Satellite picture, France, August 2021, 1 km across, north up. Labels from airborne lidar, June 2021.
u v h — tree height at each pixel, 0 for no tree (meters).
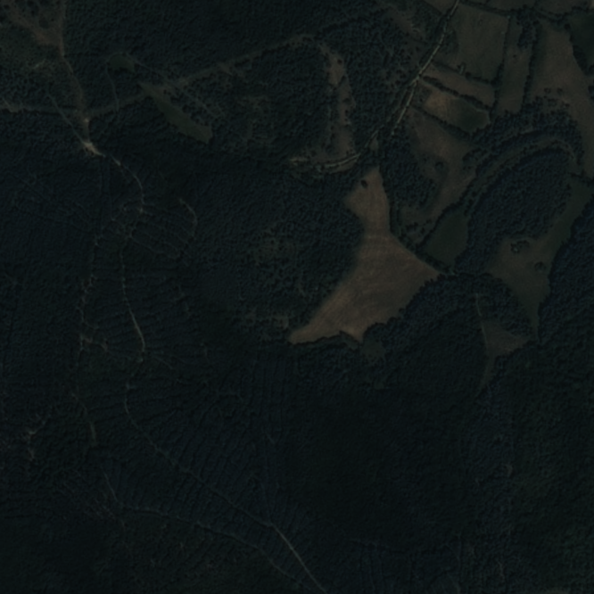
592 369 6
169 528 16
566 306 18
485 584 10
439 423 12
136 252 12
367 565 14
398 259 0
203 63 10
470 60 0
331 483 20
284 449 13
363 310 0
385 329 13
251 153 12
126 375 13
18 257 13
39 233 12
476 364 14
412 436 11
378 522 20
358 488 23
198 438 16
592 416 8
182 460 14
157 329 12
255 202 15
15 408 13
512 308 15
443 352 12
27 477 11
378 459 18
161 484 13
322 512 14
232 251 17
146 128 10
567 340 13
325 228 14
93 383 12
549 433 9
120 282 12
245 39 12
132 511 12
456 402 11
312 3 14
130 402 12
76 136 8
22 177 11
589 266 21
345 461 23
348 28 11
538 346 8
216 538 16
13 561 12
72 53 7
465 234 0
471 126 0
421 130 0
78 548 17
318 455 15
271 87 9
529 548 9
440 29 10
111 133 12
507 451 15
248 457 11
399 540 14
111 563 11
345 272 8
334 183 16
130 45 8
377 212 0
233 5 15
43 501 17
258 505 12
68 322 14
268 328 14
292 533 13
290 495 13
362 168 12
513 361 16
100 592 16
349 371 9
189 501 7
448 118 0
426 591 10
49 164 15
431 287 16
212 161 14
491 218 16
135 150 15
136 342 11
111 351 11
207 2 12
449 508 18
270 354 12
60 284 14
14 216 11
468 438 12
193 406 15
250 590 12
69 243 11
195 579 15
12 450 12
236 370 14
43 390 13
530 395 10
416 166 15
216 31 14
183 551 14
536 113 10
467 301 11
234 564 15
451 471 17
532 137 12
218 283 18
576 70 0
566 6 0
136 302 15
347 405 19
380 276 0
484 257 19
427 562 10
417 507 15
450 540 10
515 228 14
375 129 7
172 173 14
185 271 13
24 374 11
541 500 11
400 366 13
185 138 11
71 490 15
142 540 13
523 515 17
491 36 0
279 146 13
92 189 11
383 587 12
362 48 9
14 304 15
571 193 8
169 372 16
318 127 12
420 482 16
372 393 11
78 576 14
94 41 15
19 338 12
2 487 16
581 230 19
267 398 15
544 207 15
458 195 0
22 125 15
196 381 12
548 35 0
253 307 12
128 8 12
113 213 11
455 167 0
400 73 9
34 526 14
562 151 14
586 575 13
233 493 11
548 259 0
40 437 10
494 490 14
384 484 14
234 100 8
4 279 14
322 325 0
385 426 16
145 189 11
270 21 15
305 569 11
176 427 11
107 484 11
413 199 14
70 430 14
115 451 14
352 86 9
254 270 14
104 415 15
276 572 11
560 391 12
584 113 0
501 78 12
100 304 13
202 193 10
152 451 12
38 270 14
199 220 11
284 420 13
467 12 0
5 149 10
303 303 13
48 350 13
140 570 19
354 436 20
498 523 15
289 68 12
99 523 16
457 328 12
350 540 15
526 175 12
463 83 0
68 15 8
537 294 0
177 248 13
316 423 17
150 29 11
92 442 18
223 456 11
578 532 6
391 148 16
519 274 0
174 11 12
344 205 10
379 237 0
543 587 13
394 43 11
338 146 0
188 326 15
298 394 15
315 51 8
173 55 7
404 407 16
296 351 11
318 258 13
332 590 13
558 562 9
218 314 12
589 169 0
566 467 10
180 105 11
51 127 10
